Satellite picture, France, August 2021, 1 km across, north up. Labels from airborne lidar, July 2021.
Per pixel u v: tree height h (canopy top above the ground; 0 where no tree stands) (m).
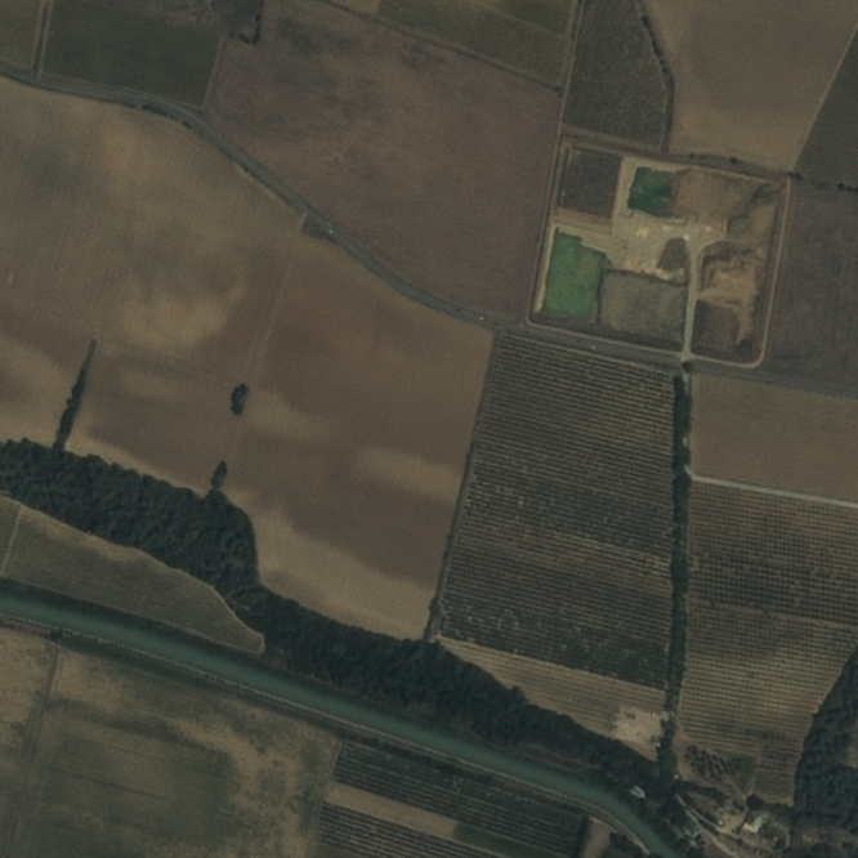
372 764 6
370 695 18
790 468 0
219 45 0
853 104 0
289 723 0
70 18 0
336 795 0
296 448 0
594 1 0
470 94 0
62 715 0
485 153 0
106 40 0
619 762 20
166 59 0
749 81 0
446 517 0
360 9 0
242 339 0
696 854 13
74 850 0
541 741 21
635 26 0
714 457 0
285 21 0
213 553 7
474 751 0
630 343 0
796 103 0
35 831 0
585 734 11
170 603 0
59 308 0
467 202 0
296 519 0
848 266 0
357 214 0
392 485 0
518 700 19
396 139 0
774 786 0
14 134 0
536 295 0
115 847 0
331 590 0
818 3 0
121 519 6
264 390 0
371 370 0
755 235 0
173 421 0
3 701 0
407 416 0
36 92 0
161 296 0
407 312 0
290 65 0
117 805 0
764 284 0
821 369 0
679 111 0
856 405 0
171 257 0
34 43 0
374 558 0
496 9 0
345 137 0
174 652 0
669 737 12
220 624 0
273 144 0
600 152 0
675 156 0
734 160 8
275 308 0
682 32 0
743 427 0
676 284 0
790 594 5
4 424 0
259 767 0
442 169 0
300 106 0
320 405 0
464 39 0
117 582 0
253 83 0
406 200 0
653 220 0
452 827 0
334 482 0
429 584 0
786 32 0
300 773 0
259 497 0
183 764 0
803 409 0
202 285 0
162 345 0
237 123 0
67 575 0
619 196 0
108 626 0
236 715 0
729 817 0
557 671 0
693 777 0
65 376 0
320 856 0
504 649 6
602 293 0
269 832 0
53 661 0
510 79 0
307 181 0
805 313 0
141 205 0
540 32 0
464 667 11
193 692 0
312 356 0
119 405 0
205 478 0
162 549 9
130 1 0
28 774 0
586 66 0
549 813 6
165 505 16
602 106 0
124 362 0
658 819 10
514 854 0
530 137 0
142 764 0
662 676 6
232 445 0
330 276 0
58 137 0
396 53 0
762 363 0
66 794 0
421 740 0
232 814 0
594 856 0
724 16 0
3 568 0
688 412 13
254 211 0
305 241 0
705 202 0
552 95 0
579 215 0
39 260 0
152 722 0
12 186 0
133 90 0
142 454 0
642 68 0
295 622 10
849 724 13
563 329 0
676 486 13
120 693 0
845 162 0
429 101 0
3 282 0
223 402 0
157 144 0
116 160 0
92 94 0
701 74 0
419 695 15
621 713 0
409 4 0
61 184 0
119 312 0
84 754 0
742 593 6
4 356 0
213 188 0
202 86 0
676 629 10
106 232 0
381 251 0
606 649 5
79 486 6
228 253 0
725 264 0
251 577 18
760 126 0
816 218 0
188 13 0
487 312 0
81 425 0
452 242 0
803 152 0
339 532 0
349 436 0
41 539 0
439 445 0
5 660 0
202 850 0
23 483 17
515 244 0
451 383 0
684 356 0
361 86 0
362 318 0
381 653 13
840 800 15
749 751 0
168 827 0
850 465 0
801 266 0
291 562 0
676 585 14
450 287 0
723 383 0
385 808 0
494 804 6
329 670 14
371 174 0
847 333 0
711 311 0
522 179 0
